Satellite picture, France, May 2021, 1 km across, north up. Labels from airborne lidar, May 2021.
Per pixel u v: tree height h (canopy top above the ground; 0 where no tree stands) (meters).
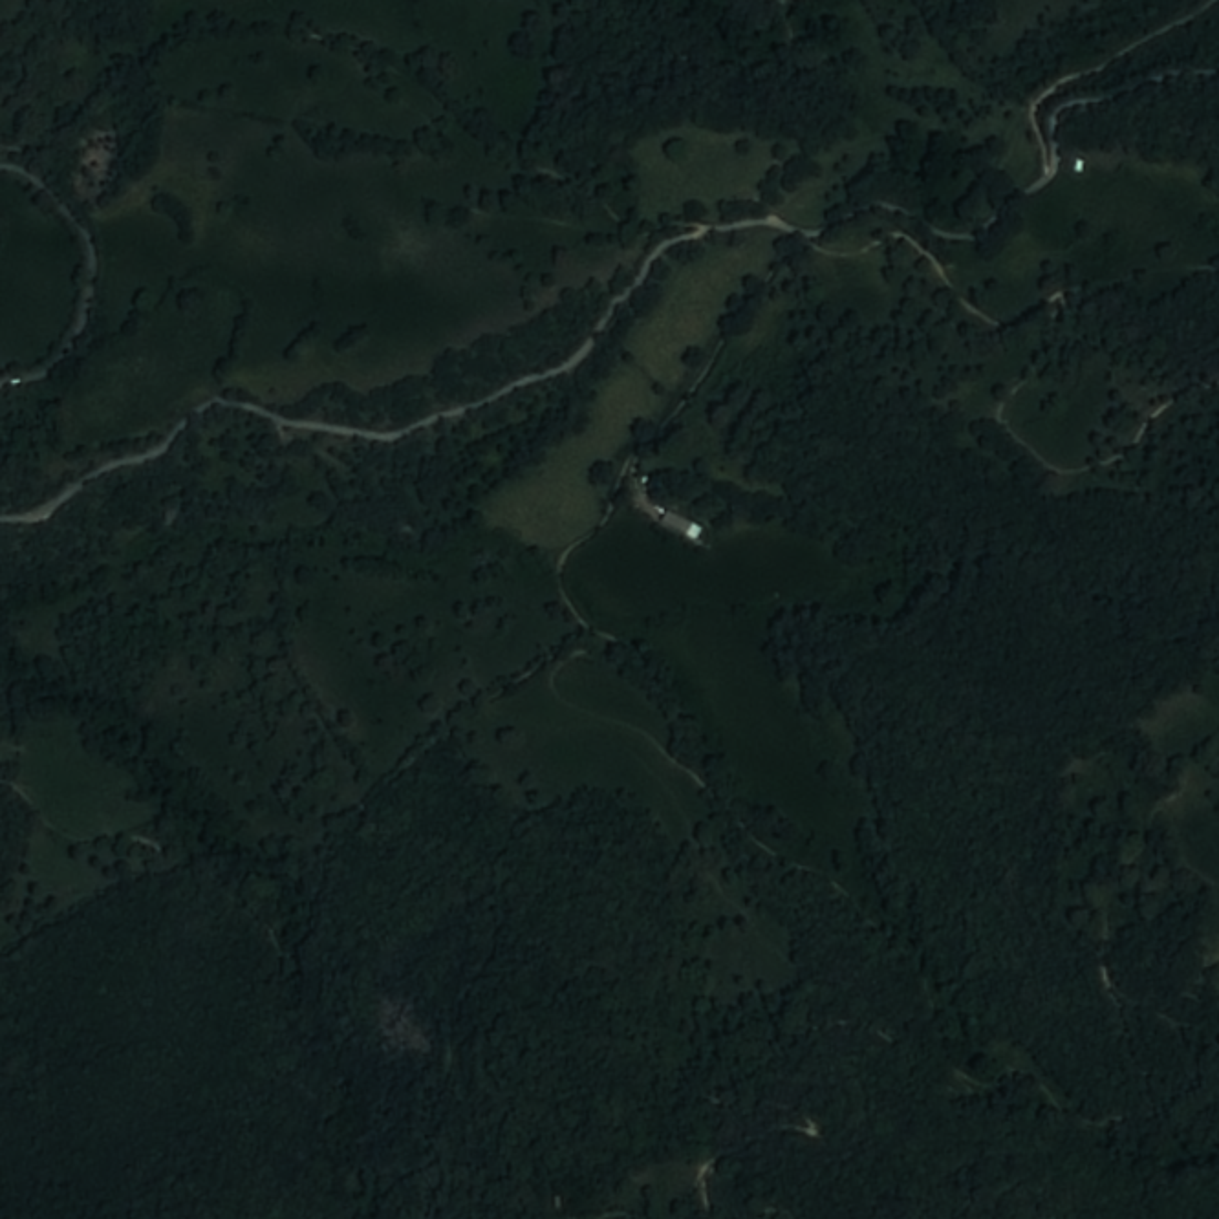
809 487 11
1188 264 0
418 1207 11
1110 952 7
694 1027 12
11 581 9
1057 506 10
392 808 10
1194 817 0
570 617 9
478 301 0
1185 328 6
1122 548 9
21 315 0
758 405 11
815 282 11
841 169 7
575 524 0
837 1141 11
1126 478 9
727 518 9
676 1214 10
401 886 9
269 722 6
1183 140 9
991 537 10
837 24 18
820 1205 10
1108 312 7
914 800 10
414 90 0
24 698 13
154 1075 7
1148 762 13
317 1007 10
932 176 19
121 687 13
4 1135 7
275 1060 11
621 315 10
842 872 14
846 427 8
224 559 9
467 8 0
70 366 10
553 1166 10
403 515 11
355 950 10
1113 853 11
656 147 0
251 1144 10
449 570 0
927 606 19
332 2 0
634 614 0
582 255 0
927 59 0
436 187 0
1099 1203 16
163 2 0
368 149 8
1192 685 8
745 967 0
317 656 0
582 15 12
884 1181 13
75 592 7
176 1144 7
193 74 0
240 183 0
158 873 9
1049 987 8
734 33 20
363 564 10
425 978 11
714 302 0
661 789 0
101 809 0
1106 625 16
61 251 0
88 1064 12
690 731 18
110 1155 7
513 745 9
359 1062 8
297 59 0
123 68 15
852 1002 13
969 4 9
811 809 0
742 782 12
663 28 15
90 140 9
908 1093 11
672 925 8
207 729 0
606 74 11
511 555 7
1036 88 9
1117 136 9
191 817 6
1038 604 12
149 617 8
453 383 6
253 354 0
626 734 0
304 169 0
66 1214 10
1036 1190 12
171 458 9
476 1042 11
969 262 0
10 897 11
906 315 12
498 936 6
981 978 10
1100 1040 12
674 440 18
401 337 0
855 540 11
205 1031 9
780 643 10
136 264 0
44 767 0
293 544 12
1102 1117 10
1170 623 13
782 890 13
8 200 0
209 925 10
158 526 13
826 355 10
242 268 0
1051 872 7
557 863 10
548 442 15
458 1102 7
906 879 11
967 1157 17
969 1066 8
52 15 11
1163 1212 22
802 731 0
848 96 13
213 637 7
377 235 0
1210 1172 20
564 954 10
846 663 13
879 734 10
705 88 12
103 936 8
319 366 0
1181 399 8
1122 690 9
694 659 0
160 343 0
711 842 9
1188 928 8
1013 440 9
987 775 9
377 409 5
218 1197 9
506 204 14
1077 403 0
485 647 0
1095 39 11
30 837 11
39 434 12
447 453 12
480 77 0
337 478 9
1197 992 10
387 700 0
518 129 0
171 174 0
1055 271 10
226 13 8
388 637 9
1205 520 9
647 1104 9
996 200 11
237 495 12
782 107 14
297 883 9
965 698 10
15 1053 9
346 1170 16
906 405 7
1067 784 9
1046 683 11
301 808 7
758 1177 9
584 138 9
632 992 10
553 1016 12
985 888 10
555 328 9
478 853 9
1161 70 8
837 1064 9
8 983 10
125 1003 6
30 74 13
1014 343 12
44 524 8
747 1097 13
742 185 0
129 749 12
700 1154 11
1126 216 0
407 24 0
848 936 10
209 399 0
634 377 0
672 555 0
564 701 0
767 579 0
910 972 15
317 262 0
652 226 9
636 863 9
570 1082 7
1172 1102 11
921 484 7
